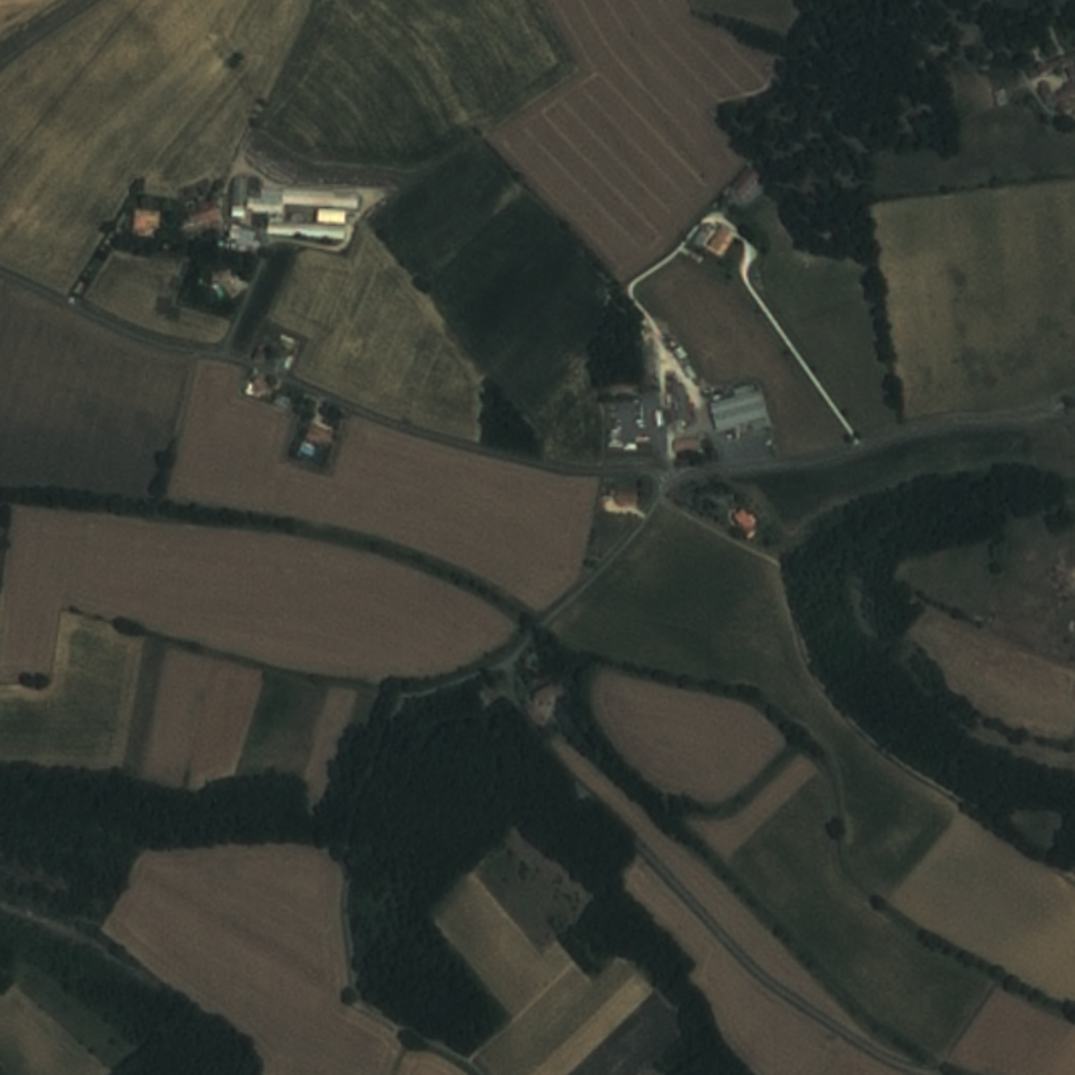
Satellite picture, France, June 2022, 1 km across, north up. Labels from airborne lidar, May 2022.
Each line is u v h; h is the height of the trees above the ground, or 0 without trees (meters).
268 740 0
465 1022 8
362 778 13
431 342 0
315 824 12
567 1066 0
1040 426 0
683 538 0
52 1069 0
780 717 12
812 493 0
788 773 0
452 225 0
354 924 9
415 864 11
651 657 0
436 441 0
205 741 0
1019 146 0
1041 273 0
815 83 23
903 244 0
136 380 0
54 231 0
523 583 0
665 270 0
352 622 0
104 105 0
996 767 12
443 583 0
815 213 20
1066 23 14
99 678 0
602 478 0
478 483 0
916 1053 6
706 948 0
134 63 0
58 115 0
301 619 0
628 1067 0
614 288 12
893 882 0
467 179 0
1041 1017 0
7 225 0
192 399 0
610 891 15
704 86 0
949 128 21
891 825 0
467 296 0
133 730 0
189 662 0
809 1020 0
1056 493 19
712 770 0
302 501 0
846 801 0
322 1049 0
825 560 8
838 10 13
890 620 9
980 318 0
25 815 18
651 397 0
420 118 0
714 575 0
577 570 0
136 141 0
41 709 0
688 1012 16
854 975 0
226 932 0
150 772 0
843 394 0
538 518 0
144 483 0
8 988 7
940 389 0
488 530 0
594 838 21
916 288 0
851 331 0
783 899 0
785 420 0
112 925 0
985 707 0
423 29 0
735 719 0
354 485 0
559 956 0
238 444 0
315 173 0
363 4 0
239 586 0
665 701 0
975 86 0
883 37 22
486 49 0
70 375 0
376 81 0
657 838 0
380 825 7
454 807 12
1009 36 12
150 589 0
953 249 0
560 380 0
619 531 0
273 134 0
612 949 11
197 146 0
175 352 0
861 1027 0
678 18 0
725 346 0
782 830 0
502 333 0
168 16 0
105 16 0
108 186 0
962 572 0
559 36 0
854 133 22
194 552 0
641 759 0
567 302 0
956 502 20
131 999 7
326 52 0
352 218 0
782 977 0
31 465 0
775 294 0
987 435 0
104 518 0
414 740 14
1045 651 0
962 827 0
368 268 0
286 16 0
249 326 0
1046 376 0
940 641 0
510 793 18
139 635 14
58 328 0
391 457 0
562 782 17
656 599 0
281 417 0
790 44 17
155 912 0
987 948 0
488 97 0
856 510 11
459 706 14
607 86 0
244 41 0
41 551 0
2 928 7
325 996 0
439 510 0
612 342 14
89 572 0
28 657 0
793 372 0
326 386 0
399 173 0
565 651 6
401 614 0
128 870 8
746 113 18
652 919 8
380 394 0
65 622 0
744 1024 0
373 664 0
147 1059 16
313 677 7
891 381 16
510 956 0
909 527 15
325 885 0
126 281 0
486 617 0
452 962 7
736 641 0
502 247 0
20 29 0
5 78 0
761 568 0
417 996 11
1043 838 0
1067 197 0
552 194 0
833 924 0
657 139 0
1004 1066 0
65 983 8
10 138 0
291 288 0
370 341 0
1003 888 0
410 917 10
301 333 0
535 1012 0
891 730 18
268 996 0
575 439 0
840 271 0
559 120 0
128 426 0
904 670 8
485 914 0
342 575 0
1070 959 0
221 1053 13
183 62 0
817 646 6
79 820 14
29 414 0
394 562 0
